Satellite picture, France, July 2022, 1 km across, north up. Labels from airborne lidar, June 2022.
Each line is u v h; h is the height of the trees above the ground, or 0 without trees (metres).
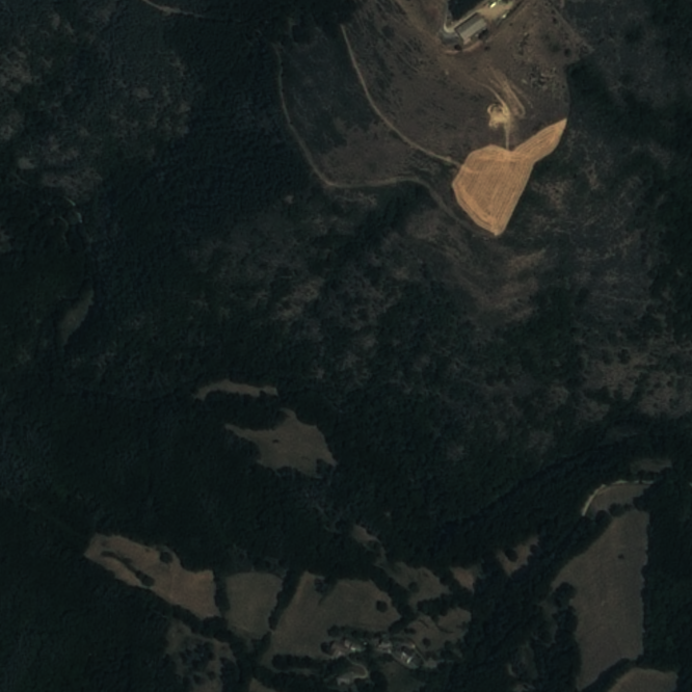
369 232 11
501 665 22
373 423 11
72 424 22
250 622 0
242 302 7
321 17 21
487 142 0
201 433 24
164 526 27
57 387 25
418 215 0
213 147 9
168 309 17
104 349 14
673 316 9
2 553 23
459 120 0
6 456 25
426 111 0
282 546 22
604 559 0
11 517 20
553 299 7
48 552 18
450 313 8
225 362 18
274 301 8
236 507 21
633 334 8
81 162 12
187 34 19
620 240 0
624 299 0
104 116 11
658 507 15
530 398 8
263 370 12
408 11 0
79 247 19
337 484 18
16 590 13
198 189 9
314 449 0
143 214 20
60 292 13
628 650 0
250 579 0
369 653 13
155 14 13
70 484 22
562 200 0
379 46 0
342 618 0
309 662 21
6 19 12
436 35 0
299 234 8
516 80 0
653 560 14
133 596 18
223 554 19
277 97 18
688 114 15
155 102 11
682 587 9
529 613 14
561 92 0
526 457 16
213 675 10
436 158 0
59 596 20
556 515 23
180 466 25
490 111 0
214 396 19
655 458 6
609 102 13
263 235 8
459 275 0
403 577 0
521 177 0
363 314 7
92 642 17
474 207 0
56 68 8
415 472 25
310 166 12
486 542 31
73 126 6
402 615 14
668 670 17
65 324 0
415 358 10
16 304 21
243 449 16
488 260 0
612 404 12
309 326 6
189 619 20
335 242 14
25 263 17
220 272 7
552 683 17
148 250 15
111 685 12
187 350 14
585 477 20
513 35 0
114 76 11
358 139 0
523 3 0
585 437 14
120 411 24
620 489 0
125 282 15
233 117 13
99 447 8
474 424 6
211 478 21
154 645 25
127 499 19
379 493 18
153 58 13
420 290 11
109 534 14
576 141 0
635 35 7
